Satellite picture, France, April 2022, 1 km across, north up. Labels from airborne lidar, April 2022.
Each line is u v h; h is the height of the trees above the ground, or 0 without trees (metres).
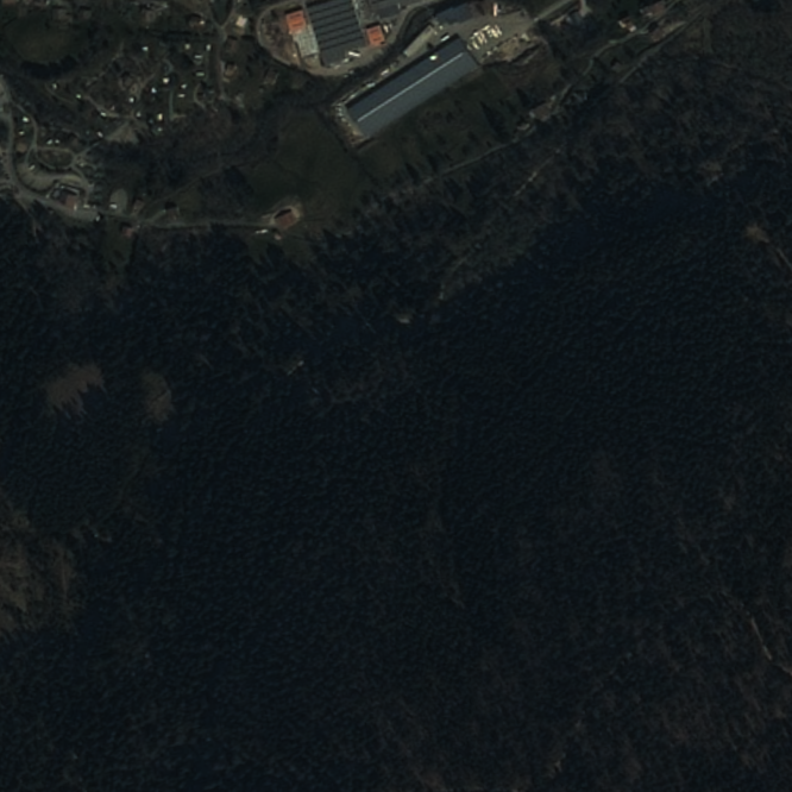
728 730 20
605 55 0
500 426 26
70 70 17
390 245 19
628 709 23
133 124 10
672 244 22
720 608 25
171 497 20
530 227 14
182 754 24
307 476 27
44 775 8
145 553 11
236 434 29
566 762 7
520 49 0
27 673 17
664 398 8
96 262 15
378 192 16
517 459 21
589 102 8
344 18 0
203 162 19
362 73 12
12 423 18
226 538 23
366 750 21
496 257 17
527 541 20
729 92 7
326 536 20
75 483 30
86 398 0
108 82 12
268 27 0
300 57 0
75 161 0
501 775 22
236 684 23
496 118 13
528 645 17
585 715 20
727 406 22
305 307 9
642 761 18
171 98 0
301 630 22
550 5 0
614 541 22
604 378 18
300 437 21
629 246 26
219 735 21
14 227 15
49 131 17
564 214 20
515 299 17
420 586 22
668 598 29
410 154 0
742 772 21
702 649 22
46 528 24
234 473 24
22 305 27
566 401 24
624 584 28
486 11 0
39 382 33
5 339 31
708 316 20
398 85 0
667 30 0
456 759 24
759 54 9
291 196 0
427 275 26
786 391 20
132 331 31
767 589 18
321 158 0
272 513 20
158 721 19
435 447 25
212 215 9
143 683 25
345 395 23
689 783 18
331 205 0
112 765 35
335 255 15
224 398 22
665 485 11
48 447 39
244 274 23
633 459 28
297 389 6
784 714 23
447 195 7
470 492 25
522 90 0
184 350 26
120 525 16
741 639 26
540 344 23
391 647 27
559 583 21
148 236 7
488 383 23
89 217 0
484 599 22
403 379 28
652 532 22
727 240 22
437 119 0
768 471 15
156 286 16
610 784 22
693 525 27
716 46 7
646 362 22
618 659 25
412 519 29
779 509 23
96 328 31
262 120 20
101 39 13
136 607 27
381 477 25
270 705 26
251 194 20
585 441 23
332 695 21
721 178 0
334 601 17
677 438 17
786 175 21
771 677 18
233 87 0
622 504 19
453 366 19
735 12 9
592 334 25
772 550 18
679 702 20
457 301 13
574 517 22
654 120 15
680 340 24
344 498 23
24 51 0
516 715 21
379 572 18
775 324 24
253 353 18
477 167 0
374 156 0
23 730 21
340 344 20
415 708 25
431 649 26
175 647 25
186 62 17
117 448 30
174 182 21
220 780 29
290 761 21
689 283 11
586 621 26
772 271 27
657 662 16
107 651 30
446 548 29
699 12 0
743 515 22
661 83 13
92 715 35
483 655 33
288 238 0
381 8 0
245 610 26
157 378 0
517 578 26
